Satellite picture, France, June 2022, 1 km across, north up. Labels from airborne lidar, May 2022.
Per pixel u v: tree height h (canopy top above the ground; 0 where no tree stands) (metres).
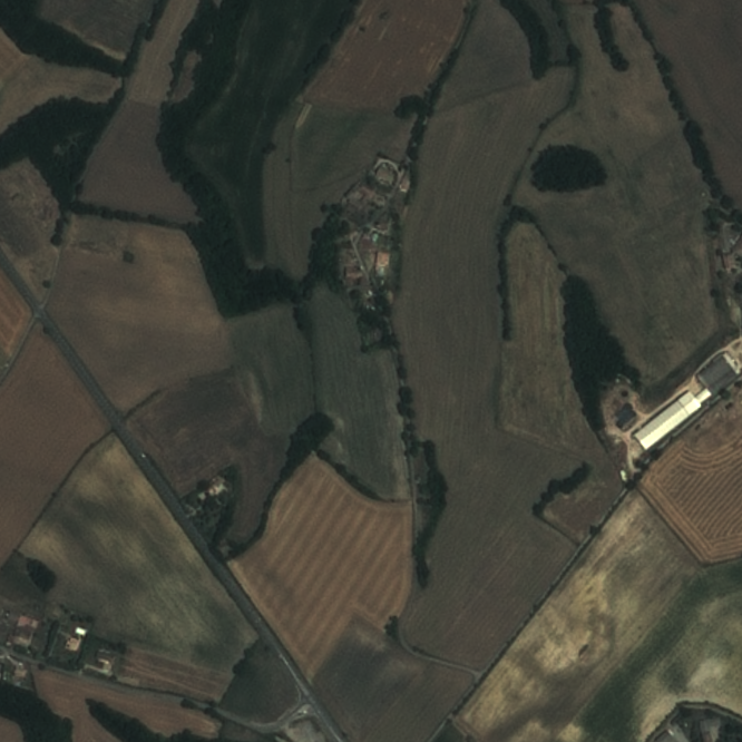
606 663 0
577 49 13
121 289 0
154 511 0
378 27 0
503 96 0
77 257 0
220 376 0
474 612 0
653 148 0
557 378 0
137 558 0
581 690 0
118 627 0
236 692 0
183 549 0
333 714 0
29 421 0
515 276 0
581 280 11
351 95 0
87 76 0
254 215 0
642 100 0
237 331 0
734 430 0
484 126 0
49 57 21
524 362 0
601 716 0
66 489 0
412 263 0
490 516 0
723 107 0
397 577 0
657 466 0
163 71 0
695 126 15
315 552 0
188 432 0
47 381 0
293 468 12
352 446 0
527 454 0
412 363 0
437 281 0
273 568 0
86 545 0
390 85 0
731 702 0
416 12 0
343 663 0
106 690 0
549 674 0
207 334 0
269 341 0
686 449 0
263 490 0
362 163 0
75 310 0
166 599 0
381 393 0
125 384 0
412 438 9
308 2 0
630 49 0
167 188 0
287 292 12
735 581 0
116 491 0
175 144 17
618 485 0
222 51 11
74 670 10
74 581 0
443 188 0
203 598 0
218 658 0
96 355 0
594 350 13
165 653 0
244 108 0
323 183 0
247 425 0
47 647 9
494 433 0
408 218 0
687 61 0
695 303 0
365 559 0
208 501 12
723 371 0
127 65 13
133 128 0
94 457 0
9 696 17
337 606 0
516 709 0
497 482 0
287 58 0
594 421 9
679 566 0
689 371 0
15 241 0
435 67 0
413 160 9
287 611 0
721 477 0
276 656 0
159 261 0
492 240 0
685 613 0
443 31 0
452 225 0
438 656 0
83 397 0
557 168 17
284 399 0
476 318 0
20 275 0
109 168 0
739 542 0
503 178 0
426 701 0
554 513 0
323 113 0
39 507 0
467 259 0
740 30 0
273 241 0
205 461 0
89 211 13
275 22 0
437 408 0
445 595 0
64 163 12
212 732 0
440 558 0
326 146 0
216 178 0
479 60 0
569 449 0
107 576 0
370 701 0
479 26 0
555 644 0
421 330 0
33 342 0
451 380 0
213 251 13
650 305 0
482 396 0
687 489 0
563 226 0
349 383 0
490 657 0
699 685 0
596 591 0
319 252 11
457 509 0
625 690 0
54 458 0
